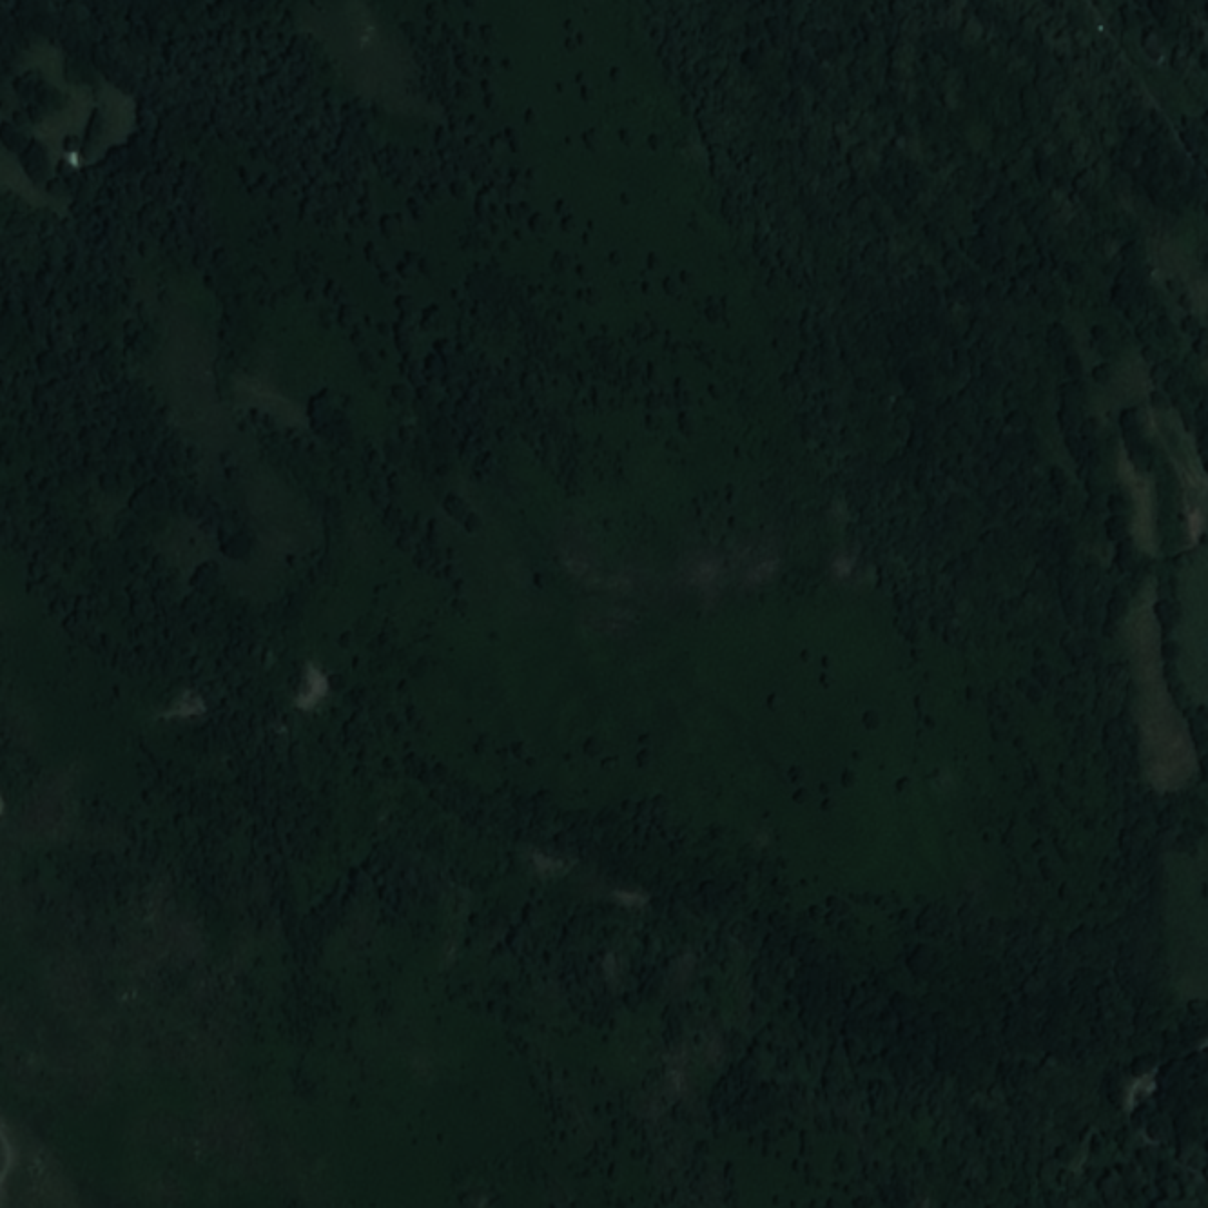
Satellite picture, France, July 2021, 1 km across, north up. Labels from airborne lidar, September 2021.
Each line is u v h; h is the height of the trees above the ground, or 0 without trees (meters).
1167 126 16
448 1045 0
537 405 14
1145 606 0
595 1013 6
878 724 14
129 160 26
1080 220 17
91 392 22
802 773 18
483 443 14
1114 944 16
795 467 10
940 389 12
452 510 13
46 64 0
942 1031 17
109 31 28
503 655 0
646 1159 8
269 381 0
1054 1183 23
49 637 0
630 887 10
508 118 0
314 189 15
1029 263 10
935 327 20
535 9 0
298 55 25
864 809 0
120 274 10
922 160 22
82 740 0
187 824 20
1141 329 11
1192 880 0
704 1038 9
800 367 17
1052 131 13
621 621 0
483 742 8
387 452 6
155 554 14
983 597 11
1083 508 7
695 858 8
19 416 7
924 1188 9
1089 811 8
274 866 16
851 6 18
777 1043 6
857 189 24
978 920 15
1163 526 10
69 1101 0
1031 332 12
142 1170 0
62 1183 0
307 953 10
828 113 23
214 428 0
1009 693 9
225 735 15
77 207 14
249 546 22
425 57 7
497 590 0
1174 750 0
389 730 7
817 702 0
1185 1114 27
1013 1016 16
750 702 0
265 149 16
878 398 7
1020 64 20
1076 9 19
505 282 11
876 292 18
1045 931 16
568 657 0
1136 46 9
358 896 18
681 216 0
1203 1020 22
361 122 24
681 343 10
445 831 10
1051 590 8
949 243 21
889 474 20
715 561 0
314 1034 8
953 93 25
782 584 6
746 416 7
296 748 15
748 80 9
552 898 7
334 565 13
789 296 9
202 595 8
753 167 20
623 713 0
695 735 0
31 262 11
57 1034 0
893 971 6
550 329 7
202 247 10
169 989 7
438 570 8
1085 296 12
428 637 11
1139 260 23
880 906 19
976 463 9
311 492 6
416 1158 0
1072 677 13
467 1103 0
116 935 7
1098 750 8
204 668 19
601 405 17
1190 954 0
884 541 20
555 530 0
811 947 22
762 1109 14
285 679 7
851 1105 13
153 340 12
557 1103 10
